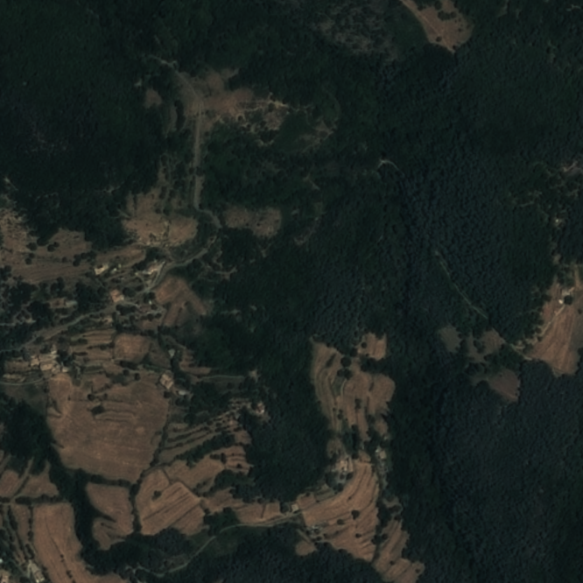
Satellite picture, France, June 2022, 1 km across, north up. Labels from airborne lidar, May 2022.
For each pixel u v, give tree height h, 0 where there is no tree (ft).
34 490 0
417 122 37
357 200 32
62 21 48
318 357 0
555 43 36
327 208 28
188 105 0
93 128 37
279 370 30
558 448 40
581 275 0
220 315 35
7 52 31
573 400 58
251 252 29
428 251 36
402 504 32
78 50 39
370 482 0
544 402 69
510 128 51
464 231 86
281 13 24
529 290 74
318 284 41
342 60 31
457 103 58
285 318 39
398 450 58
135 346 0
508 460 42
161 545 55
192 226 0
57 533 0
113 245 35
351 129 28
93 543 56
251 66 36
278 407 43
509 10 42
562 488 41
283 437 29
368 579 66
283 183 37
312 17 37
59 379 0
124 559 42
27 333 41
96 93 47
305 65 28
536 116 52
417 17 0
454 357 51
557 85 51
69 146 28
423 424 55
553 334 0
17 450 48
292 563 40
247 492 68
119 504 0
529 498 60
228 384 25
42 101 49
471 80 32
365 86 31
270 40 38
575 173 0
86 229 36
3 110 35
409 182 49
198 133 0
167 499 0
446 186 77
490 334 0
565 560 56
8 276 21
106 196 26
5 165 37
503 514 49
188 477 0
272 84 33
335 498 0
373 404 0
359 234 33
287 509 40
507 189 75
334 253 29
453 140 24
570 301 44
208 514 37
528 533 46
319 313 74
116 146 39
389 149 46
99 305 23
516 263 41
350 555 32
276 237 30
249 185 29
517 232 58
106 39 38
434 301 46
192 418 43
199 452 27
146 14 72
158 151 31
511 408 40
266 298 32
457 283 48
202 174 35
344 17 22
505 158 59
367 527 0
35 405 0
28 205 37
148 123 29
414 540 41
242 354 26
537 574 39
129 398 0
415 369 72
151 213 0
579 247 82
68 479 21
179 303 0
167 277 0
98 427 0
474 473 47
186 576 29
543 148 40
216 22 45
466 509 79
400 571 0
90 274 25
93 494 0
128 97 42
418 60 34
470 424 28
